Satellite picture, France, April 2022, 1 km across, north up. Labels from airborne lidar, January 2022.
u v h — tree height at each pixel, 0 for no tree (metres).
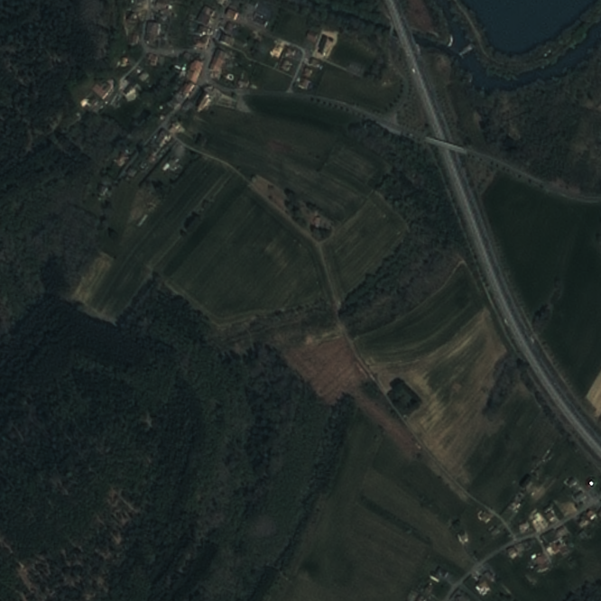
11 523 10
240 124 0
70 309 25
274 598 0
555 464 0
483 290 0
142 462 9
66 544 10
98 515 8
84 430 11
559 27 0
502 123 0
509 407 0
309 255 0
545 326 12
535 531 0
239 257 0
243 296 0
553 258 0
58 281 27
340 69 0
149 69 0
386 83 0
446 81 0
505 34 0
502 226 0
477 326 0
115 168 0
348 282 0
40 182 21
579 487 0
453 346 0
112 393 13
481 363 0
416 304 21
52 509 7
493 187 0
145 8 0
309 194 0
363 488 0
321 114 0
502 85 0
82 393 15
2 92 12
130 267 0
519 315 0
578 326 0
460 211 10
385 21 20
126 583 16
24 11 28
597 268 0
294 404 20
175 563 21
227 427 15
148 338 18
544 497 0
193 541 13
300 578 0
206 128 0
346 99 0
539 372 0
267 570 17
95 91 0
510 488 0
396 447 0
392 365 0
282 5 0
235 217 0
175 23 0
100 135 20
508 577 0
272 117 0
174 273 0
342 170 0
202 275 0
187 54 7
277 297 0
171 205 0
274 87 0
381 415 0
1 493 12
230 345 0
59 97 25
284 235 0
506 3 0
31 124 19
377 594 0
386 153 19
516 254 0
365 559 0
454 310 0
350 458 0
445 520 0
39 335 28
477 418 0
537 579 0
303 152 0
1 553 9
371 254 0
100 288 0
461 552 0
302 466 16
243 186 0
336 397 0
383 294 16
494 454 0
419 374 0
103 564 21
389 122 0
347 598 0
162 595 23
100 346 26
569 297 0
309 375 0
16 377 27
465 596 7
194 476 15
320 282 0
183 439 14
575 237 0
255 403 24
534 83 14
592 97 14
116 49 22
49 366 23
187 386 19
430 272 17
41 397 18
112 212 16
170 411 12
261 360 25
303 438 15
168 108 0
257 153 0
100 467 11
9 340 33
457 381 0
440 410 0
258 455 11
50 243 28
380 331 0
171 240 0
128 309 0
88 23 21
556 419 14
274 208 0
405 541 0
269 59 0
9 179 26
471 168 0
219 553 12
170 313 17
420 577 0
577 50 0
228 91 0
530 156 13
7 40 6
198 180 0
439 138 0
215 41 6
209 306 0
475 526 0
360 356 0
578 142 0
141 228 0
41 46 29
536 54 16
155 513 20
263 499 22
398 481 0
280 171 0
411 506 0
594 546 0
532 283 0
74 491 9
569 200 0
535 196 0
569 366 0
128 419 13
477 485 0
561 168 6
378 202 0
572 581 0
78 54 29
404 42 0
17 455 17
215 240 0
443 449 0
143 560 16
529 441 0
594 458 0
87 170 25
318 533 0
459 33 0
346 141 0
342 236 0
